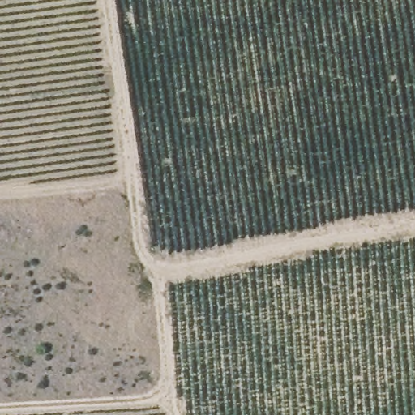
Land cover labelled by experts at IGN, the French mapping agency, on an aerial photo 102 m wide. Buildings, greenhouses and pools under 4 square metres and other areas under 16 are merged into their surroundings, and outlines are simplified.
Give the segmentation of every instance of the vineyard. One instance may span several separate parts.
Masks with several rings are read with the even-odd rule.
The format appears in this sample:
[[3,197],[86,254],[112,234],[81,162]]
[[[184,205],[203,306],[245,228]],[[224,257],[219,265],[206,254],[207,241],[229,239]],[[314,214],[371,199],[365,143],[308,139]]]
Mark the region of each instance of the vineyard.
[[282,263],[266,266],[251,264],[250,272],[238,272],[204,280],[186,279],[185,282],[169,284],[177,410],[182,415],[415,415],[415,235],[412,232],[402,232],[396,235],[394,240],[387,242],[365,242],[360,246],[353,243],[350,248],[344,243],[334,243],[331,250],[293,251],[285,256]]
[[110,115],[113,97],[112,66],[102,66],[105,42],[101,41],[99,36],[102,13],[97,10],[96,0],[0,0],[0,182],[26,178],[29,185],[42,185],[113,175],[117,173],[115,156]]
[[302,232],[316,229],[319,225],[329,224],[334,220],[357,219],[371,214],[415,209],[415,0],[115,0],[126,79],[130,89],[131,110],[135,120],[151,255],[159,256],[160,261],[170,259],[173,263],[180,263],[188,258],[185,251],[230,245],[238,238]]

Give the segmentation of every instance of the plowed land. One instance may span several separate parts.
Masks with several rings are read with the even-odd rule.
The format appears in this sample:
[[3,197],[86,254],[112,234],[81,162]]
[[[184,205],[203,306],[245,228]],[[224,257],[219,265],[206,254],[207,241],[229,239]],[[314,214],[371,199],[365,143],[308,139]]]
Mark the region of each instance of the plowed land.
[[113,175],[42,185],[29,185],[26,178],[0,182],[0,199],[57,195],[86,198],[89,193],[97,190],[120,190],[122,182],[126,180],[123,154],[115,156],[117,173]]

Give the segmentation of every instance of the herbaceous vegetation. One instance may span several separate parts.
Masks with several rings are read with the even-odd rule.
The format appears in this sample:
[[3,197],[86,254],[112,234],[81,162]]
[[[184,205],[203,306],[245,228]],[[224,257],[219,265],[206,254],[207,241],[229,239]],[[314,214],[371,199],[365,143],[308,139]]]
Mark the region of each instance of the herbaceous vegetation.
[[86,198],[57,195],[0,199],[0,415],[164,415],[159,405],[152,405],[149,402],[149,399],[159,394],[159,387],[156,386],[160,378],[160,353],[156,305],[151,282],[146,277],[144,264],[139,261],[133,243],[126,180],[122,182],[120,190],[97,190],[89,193]]

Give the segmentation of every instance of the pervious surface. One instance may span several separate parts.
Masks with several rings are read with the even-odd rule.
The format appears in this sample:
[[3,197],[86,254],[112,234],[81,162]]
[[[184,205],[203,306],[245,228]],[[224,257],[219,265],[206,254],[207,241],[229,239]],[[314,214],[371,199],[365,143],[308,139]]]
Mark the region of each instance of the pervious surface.
[[115,156],[123,154],[126,180],[133,243],[139,261],[144,264],[146,277],[151,282],[156,305],[160,353],[160,378],[156,386],[159,387],[159,394],[149,399],[149,402],[152,405],[159,405],[164,415],[182,415],[177,410],[169,284],[185,282],[186,279],[204,280],[238,272],[250,272],[251,264],[266,266],[282,263],[285,256],[293,251],[331,250],[334,243],[344,243],[350,248],[353,243],[360,246],[365,242],[387,242],[394,240],[396,235],[402,232],[412,232],[415,235],[415,209],[371,214],[357,219],[334,220],[329,224],[319,225],[316,229],[302,232],[238,238],[230,245],[185,251],[188,258],[180,263],[173,263],[170,259],[160,261],[159,256],[151,255],[135,120],[131,110],[130,89],[126,79],[115,0],[96,0],[97,10],[102,13],[99,36],[101,41],[105,42],[102,66],[112,66],[113,97],[110,115]]

